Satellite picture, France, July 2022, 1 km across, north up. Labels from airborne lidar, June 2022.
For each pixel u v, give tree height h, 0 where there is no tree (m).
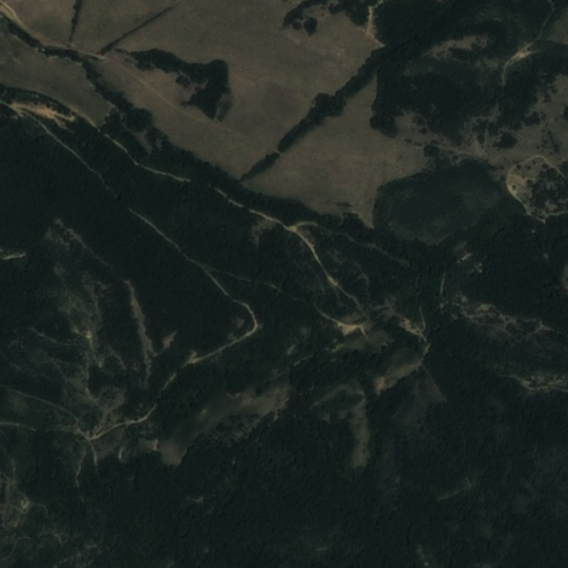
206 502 12
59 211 13
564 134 0
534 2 8
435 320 14
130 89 0
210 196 15
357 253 6
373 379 0
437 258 11
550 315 13
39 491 10
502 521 10
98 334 7
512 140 6
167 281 14
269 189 0
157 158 17
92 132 12
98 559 10
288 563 6
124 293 6
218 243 9
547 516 7
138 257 16
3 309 8
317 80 0
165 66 10
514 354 11
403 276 7
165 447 0
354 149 0
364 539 13
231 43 0
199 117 0
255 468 9
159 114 0
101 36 0
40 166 11
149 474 10
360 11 7
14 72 0
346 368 11
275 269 11
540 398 6
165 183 8
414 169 0
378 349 0
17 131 7
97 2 0
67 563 8
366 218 0
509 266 11
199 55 0
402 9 8
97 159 13
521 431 14
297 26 9
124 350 7
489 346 7
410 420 0
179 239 9
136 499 9
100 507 7
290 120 0
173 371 11
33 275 8
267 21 0
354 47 0
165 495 17
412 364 0
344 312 8
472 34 7
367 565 7
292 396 10
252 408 0
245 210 13
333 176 0
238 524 6
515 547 9
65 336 8
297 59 0
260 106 0
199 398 10
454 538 6
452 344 12
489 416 10
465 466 6
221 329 10
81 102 0
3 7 0
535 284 12
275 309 13
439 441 9
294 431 16
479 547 11
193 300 13
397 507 6
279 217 9
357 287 7
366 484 11
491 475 12
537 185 6
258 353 9
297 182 0
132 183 9
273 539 9
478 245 13
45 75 0
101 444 0
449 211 6
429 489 8
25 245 10
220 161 0
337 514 12
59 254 8
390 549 11
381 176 0
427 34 14
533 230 10
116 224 16
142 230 9
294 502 8
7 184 8
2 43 0
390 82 7
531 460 10
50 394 7
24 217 9
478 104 7
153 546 14
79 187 15
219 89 12
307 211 12
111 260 12
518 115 9
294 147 0
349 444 10
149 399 11
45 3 0
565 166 6
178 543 16
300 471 9
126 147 8
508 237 14
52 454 6
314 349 12
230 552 14
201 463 16
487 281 13
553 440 7
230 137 0
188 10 0
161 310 8
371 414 11
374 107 9
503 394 14
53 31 0
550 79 8
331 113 9
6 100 6
